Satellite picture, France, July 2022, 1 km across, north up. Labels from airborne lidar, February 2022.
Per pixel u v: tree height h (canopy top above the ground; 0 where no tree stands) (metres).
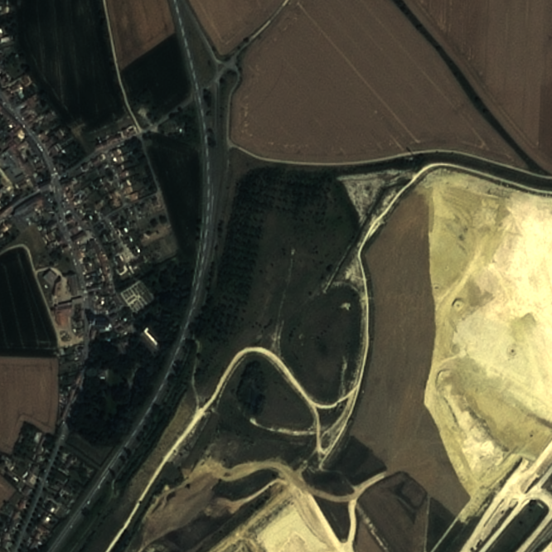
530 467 0
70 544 0
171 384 12
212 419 0
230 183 0
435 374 0
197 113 0
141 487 0
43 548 11
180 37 0
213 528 0
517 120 0
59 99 0
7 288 0
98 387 20
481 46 0
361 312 0
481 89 0
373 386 0
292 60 0
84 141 0
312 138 0
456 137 0
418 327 0
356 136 0
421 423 0
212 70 0
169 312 22
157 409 14
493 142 0
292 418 0
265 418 0
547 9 0
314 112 0
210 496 0
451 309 0
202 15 0
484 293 0
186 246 0
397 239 0
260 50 0
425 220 0
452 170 0
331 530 0
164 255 0
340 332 0
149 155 0
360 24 0
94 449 0
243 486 0
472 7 0
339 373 0
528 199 0
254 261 7
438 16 0
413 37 0
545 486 0
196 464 0
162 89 0
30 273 0
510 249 0
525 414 0
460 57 0
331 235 0
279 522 0
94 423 20
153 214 0
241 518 0
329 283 0
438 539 0
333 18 0
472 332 0
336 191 0
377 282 0
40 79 0
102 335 9
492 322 0
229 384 0
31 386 0
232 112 0
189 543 0
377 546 0
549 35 0
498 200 0
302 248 0
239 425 0
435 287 0
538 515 0
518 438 0
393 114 0
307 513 0
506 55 0
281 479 0
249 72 0
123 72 0
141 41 0
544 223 0
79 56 0
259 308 0
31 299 0
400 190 0
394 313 0
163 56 0
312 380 0
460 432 0
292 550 0
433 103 0
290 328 0
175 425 0
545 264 0
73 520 0
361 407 0
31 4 0
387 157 0
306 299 0
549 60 0
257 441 0
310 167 0
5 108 0
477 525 0
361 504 0
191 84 0
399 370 0
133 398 17
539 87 0
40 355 0
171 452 0
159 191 0
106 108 0
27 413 0
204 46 0
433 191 0
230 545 0
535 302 0
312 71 0
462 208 0
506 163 0
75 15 0
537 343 0
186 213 0
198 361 0
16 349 0
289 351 0
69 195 0
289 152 0
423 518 0
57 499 12
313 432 0
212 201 0
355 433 0
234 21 0
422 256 0
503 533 0
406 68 0
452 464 0
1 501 0
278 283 0
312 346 0
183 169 0
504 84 0
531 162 0
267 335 0
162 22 0
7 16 7
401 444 0
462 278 0
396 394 0
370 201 0
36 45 0
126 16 0
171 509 0
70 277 0
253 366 14
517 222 0
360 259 0
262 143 0
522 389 0
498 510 0
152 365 21
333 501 0
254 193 7
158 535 0
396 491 0
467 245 0
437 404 0
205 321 14
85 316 0
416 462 0
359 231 0
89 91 0
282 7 0
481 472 0
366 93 0
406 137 0
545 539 0
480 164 0
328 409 0
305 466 0
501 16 0
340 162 0
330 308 0
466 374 0
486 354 0
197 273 0
